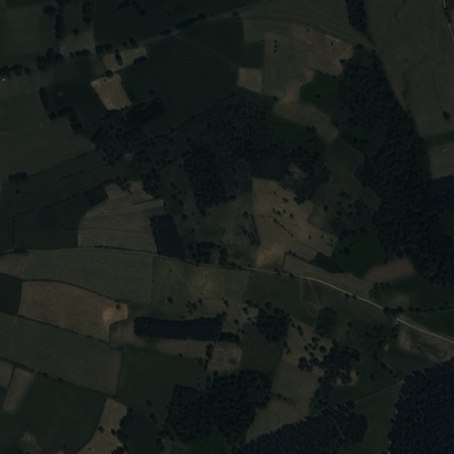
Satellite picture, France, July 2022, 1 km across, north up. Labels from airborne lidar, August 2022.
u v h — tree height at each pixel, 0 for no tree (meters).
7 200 0
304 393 0
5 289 0
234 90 0
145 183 11
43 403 0
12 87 0
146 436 0
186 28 17
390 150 15
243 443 12
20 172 0
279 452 23
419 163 8
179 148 0
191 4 0
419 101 0
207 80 0
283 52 0
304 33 0
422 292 0
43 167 0
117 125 0
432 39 0
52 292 0
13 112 0
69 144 0
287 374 0
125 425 14
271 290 0
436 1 0
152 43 0
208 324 21
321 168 7
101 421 0
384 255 0
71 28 0
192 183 12
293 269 0
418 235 9
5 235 0
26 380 0
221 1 0
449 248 28
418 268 21
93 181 0
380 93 19
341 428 22
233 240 0
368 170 12
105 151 17
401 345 0
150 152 0
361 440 21
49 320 0
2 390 0
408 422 28
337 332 0
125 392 0
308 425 21
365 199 0
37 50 0
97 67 0
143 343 0
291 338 0
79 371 0
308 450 20
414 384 27
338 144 0
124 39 0
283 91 0
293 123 0
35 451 0
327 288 0
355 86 19
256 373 7
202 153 8
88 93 0
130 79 0
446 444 12
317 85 0
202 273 0
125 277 0
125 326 0
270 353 0
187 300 0
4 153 0
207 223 0
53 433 0
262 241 0
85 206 0
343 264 0
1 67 0
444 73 0
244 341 0
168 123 0
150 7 0
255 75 0
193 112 0
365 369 0
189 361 0
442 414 24
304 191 7
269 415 0
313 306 0
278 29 0
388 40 0
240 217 0
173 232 22
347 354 13
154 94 13
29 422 0
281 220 0
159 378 0
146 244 0
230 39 0
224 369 0
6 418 0
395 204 19
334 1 0
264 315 11
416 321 0
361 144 13
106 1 0
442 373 21
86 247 0
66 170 0
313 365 10
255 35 0
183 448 0
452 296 0
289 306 0
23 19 0
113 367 0
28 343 0
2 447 0
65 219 0
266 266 0
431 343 0
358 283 0
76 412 0
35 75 0
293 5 0
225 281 0
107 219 0
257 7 0
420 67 0
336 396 0
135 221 0
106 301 0
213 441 0
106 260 0
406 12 0
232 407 27
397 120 11
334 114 0
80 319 0
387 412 0
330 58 0
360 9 13
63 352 0
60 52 0
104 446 0
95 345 0
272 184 0
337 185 0
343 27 0
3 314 0
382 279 0
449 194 24
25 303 0
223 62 0
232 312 0
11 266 0
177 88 0
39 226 0
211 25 0
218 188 11
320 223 0
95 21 0
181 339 13
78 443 0
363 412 0
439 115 0
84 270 0
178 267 0
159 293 0
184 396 19
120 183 11
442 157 0
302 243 0
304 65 0
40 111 0
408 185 29
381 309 0
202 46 0
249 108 6
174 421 6
